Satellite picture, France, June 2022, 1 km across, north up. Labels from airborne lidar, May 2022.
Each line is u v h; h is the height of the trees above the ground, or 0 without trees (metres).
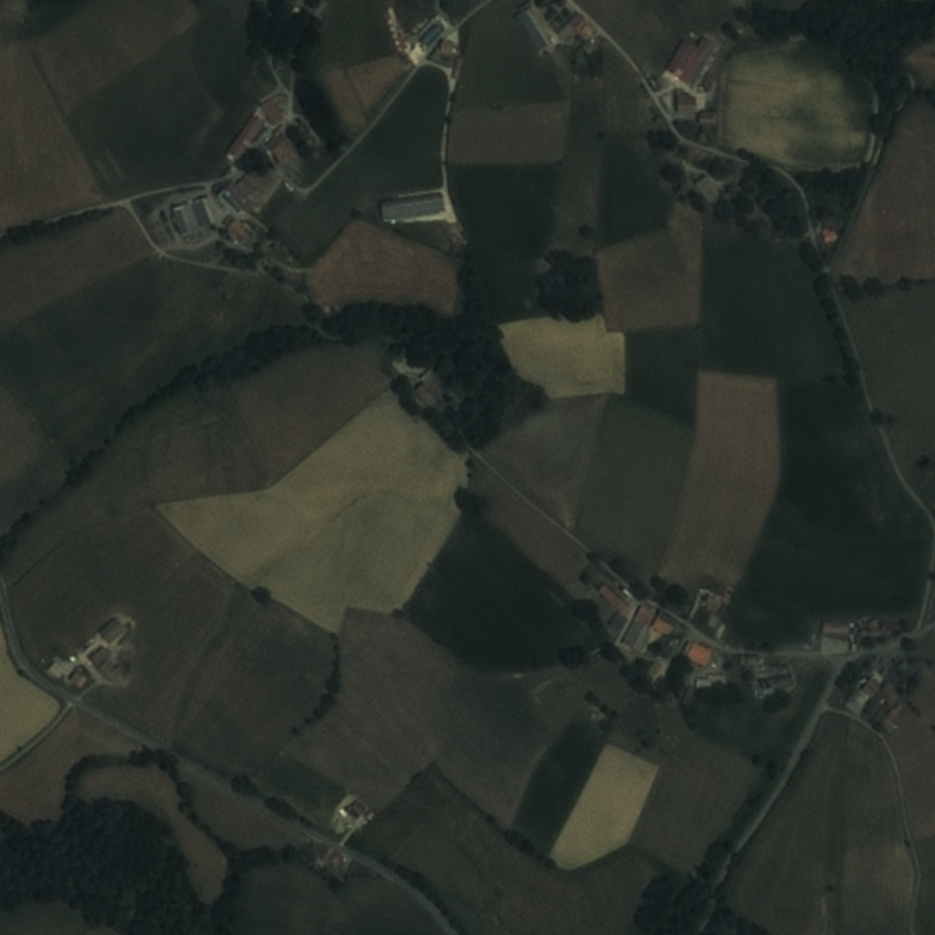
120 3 0
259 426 0
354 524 0
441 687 0
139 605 0
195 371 14
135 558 0
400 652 0
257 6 10
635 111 0
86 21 0
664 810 0
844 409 0
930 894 0
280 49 19
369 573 0
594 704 11
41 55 0
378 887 0
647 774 0
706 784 0
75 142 0
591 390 0
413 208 0
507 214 0
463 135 0
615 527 0
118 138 0
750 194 16
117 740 0
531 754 0
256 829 0
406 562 0
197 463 0
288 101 0
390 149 0
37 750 0
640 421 0
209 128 0
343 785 0
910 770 0
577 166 0
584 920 0
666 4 0
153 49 0
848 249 0
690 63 0
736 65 0
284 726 0
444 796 0
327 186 0
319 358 0
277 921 0
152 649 0
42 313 0
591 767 0
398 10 0
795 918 0
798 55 0
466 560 0
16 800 0
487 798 0
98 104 0
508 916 0
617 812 0
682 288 0
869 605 0
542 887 0
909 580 0
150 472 0
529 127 0
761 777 0
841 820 0
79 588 0
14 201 0
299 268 0
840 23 15
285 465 0
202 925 13
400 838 0
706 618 0
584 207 0
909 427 0
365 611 0
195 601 0
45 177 0
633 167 0
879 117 11
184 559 0
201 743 0
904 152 0
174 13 0
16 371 0
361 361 0
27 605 0
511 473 0
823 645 0
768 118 0
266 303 0
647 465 0
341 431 0
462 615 0
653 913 16
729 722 0
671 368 0
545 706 0
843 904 0
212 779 0
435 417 21
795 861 0
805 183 8
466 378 24
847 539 0
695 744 0
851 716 0
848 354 8
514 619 0
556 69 0
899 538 0
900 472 0
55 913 0
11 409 0
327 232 0
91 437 0
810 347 0
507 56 0
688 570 0
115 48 0
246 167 17
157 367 0
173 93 0
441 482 0
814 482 0
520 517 0
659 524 0
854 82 0
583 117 0
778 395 0
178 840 0
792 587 0
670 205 0
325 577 0
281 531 0
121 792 0
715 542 0
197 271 0
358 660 0
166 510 0
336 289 0
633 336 0
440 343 18
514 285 0
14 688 0
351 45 0
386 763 0
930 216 0
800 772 0
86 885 22
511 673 0
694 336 0
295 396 0
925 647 0
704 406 0
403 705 0
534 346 0
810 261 15
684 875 0
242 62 0
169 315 0
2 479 0
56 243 0
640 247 0
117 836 15
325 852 0
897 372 0
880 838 0
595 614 9
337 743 0
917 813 0
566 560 0
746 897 0
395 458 0
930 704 0
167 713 0
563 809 0
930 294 0
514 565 0
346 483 0
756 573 0
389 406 0
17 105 0
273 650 0
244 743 0
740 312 0
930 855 0
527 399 14
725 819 0
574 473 0
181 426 0
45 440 0
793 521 0
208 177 0
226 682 0
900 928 0
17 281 0
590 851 0
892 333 0
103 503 0
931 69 0
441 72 0
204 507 0
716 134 0
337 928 0
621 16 0
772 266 0
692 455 0
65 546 0
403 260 0
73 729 0
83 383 0
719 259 0
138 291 0
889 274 0
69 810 11
